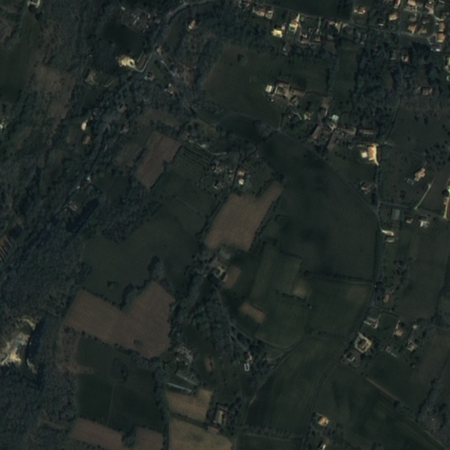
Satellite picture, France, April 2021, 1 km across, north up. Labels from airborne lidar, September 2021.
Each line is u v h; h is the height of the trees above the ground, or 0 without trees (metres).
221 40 18
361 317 0
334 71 15
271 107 0
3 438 18
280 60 0
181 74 17
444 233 0
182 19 6
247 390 0
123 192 0
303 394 0
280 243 11
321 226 0
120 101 16
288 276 0
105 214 11
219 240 0
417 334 7
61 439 16
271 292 0
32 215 33
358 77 14
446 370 0
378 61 18
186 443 0
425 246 0
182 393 11
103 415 0
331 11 0
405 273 12
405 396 0
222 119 0
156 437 0
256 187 0
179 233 0
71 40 22
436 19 0
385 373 0
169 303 0
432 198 0
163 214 0
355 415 0
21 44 0
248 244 0
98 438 0
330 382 0
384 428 0
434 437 11
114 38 0
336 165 0
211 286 12
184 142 10
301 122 7
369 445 0
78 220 0
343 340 6
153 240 0
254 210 0
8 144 15
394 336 6
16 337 0
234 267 0
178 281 0
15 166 21
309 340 0
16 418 17
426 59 12
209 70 19
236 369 0
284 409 0
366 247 0
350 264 0
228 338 20
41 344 15
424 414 19
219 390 0
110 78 0
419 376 0
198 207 0
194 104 16
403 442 0
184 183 0
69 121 14
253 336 0
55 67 8
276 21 0
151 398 0
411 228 0
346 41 11
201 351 0
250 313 0
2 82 0
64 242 17
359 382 0
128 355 8
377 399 0
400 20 0
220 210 0
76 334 10
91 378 0
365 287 0
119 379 0
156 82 14
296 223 0
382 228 5
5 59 0
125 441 13
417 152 0
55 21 21
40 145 7
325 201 0
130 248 0
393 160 0
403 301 0
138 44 0
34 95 8
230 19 23
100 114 15
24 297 15
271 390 0
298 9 0
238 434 0
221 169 8
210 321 21
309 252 0
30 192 27
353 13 0
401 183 0
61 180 7
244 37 21
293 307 0
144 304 0
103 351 0
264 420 0
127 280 0
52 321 20
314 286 0
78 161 10
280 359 6
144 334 0
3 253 0
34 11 16
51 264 22
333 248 0
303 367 0
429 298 0
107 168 12
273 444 0
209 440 0
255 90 0
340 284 0
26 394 22
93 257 0
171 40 0
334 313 0
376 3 6
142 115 7
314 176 0
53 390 23
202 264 13
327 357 0
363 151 0
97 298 7
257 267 0
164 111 13
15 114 10
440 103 14
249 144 12
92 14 12
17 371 28
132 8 8
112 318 0
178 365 6
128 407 0
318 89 0
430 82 10
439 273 0
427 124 12
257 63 0
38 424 18
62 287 19
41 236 13
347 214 0
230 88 0
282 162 0
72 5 21
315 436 10
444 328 15
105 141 9
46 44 15
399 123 0
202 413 0
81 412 0
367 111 10
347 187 0
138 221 8
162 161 0
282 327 0
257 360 17
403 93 22
